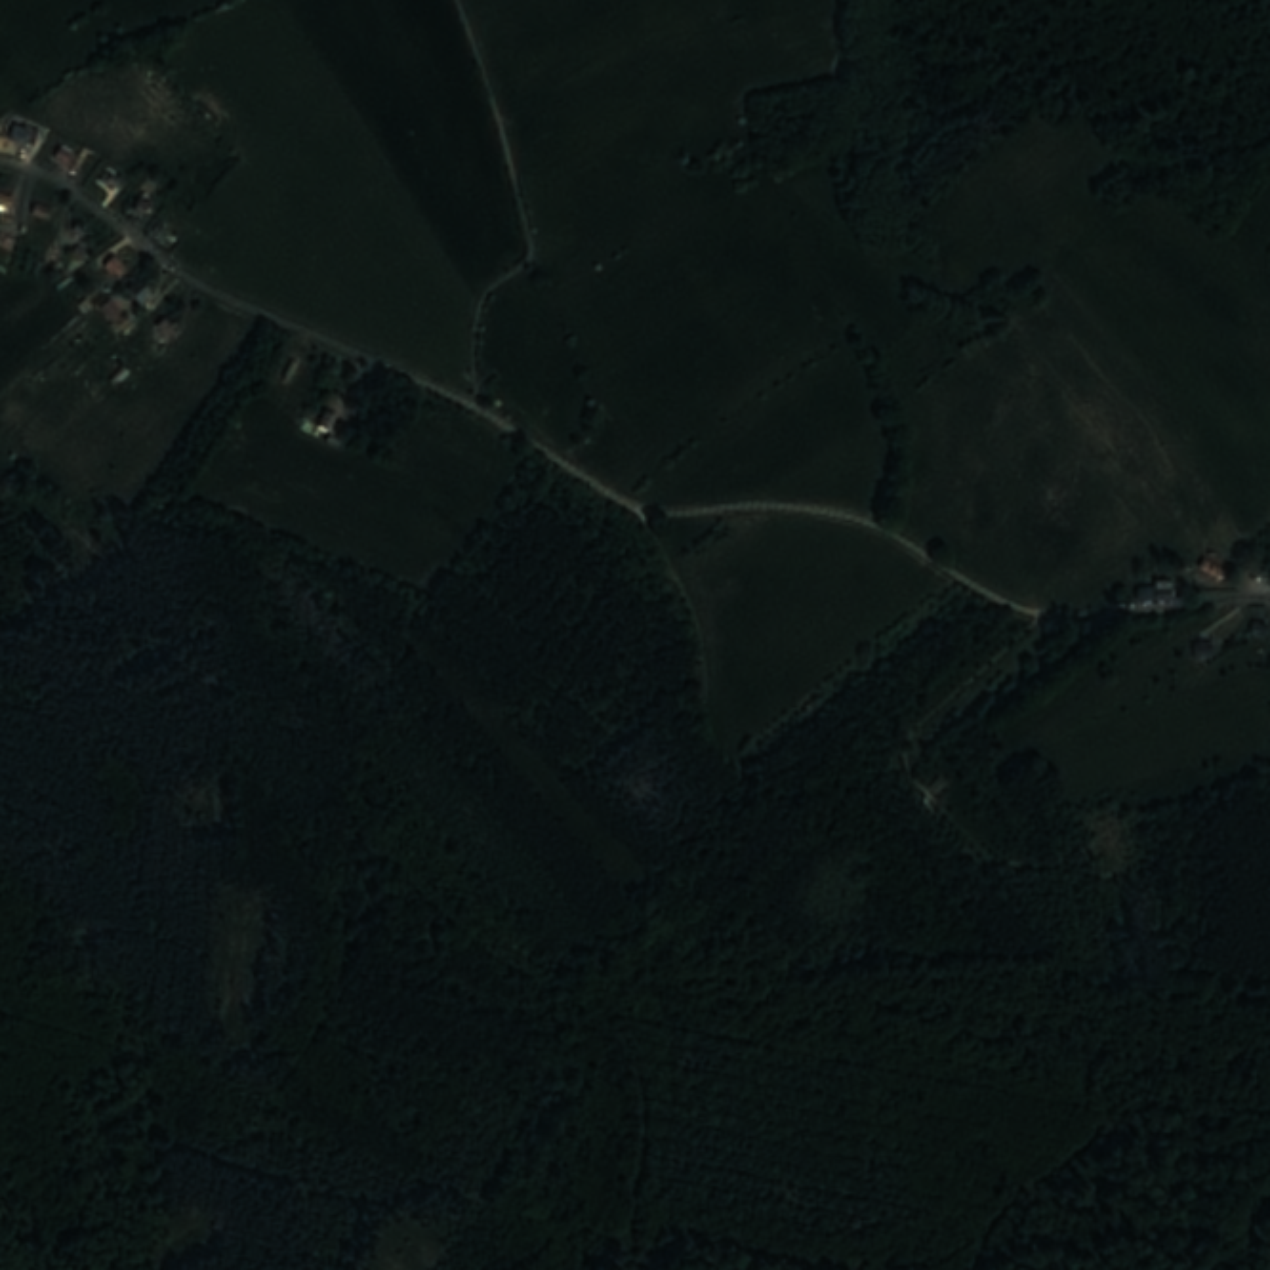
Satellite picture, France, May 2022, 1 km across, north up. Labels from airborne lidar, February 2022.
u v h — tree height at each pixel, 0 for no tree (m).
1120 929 20
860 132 17
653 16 0
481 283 0
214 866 19
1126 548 0
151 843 23
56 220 0
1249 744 0
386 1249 0
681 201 0
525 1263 14
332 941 9
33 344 0
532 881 10
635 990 16
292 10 0
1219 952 17
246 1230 22
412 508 0
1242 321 0
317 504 0
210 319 0
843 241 0
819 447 0
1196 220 22
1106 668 8
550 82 0
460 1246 8
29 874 17
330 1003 19
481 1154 11
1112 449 0
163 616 26
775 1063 10
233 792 20
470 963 12
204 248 0
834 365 0
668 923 22
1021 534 0
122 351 0
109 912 19
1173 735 0
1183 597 18
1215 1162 26
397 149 0
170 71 6
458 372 0
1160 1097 24
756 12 0
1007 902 12
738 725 0
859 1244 10
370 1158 10
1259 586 0
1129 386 0
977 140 8
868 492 0
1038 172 0
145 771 22
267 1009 13
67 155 0
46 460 0
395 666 12
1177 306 0
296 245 0
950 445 0
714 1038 9
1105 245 0
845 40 18
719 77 0
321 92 0
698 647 8
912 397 0
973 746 16
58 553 25
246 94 0
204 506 13
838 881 23
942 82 14
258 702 17
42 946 18
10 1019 12
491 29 0
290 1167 12
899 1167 10
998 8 20
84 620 24
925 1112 9
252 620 18
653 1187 9
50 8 0
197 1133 11
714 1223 8
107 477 0
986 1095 11
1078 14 12
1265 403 0
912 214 24
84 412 0
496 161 0
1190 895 16
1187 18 10
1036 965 23
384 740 11
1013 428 0
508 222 0
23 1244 22
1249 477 0
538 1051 16
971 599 8
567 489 9
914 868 12
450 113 0
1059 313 0
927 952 10
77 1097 19
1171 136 12
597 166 0
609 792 13
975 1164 12
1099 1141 9
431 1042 14
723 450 0
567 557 14
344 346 0
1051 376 0
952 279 0
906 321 0
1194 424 0
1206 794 7
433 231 0
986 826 0
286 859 21
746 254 0
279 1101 11
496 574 8
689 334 0
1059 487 0
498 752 13
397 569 0
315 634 16
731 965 23
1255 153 25
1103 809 8
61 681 21
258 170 0
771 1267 31
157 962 19
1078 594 0
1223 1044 23
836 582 0
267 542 15
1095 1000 22
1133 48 16
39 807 19
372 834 15
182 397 0
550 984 9
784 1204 9
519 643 14
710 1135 8
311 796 17
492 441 0
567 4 0
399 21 0
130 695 22
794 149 18
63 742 18
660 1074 9
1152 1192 32
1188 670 0
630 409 0
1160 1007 23
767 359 0
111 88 0
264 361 14
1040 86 29
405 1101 13
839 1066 10
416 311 0
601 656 15
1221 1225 32
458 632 14
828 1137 11
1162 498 0
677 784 22
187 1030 19
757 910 20
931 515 0
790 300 0
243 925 0
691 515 0
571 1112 26
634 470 0
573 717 13
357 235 0
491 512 0
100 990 9
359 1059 13
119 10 0
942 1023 22
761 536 0
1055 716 0
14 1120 12
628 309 0
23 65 0
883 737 10
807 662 0
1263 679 0
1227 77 17
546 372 0
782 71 0
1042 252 0
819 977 16
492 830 10
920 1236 8
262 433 0
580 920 11
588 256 0
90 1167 24
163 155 0
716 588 0
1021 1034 14
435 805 12
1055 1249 31
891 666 12
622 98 0
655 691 8
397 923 9
